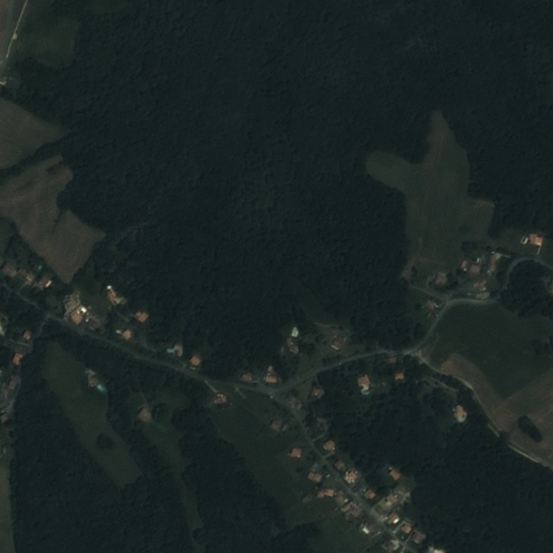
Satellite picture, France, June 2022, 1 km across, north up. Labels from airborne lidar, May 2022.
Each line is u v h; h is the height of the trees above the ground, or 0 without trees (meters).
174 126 22
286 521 14
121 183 22
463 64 23
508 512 23
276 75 24
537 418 0
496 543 25
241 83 24
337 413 18
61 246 0
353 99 16
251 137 25
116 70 23
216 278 29
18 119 0
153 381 18
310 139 22
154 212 13
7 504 0
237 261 20
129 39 19
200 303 17
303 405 6
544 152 29
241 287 16
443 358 0
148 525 23
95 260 14
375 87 14
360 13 20
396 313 22
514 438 0
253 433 0
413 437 21
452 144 0
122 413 19
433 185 0
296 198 26
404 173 0
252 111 30
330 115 23
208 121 13
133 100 29
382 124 23
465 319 0
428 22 22
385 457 24
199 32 20
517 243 0
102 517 20
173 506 22
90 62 9
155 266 27
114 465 0
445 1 24
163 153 21
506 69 27
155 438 0
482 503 25
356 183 17
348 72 13
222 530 30
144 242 30
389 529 0
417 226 0
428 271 0
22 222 0
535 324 0
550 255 0
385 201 21
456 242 0
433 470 22
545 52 15
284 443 0
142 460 20
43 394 22
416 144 22
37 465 29
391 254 24
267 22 27
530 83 19
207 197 25
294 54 21
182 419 29
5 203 0
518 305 20
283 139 23
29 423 30
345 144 18
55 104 16
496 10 25
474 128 23
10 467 7
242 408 0
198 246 22
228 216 25
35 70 8
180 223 23
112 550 14
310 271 26
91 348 17
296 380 0
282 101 22
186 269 27
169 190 20
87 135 20
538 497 17
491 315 0
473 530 26
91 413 0
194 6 16
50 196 0
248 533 27
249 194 16
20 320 15
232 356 16
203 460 25
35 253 7
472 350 0
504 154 28
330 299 23
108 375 16
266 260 13
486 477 23
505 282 13
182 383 13
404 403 17
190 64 23
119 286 21
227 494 26
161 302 21
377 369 7
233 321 19
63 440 26
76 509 23
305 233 22
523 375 0
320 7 22
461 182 0
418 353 0
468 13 32
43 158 13
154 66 19
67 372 0
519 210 13
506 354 0
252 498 29
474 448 28
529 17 25
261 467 0
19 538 20
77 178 17
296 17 19
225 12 27
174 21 11
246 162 9
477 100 25
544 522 17
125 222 17
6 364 18
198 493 20
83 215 17
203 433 27
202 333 26
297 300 16
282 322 17
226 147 29
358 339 14
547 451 0
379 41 22
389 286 23
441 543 18
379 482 22
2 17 0
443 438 17
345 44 13
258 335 19
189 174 8
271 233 16
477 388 0
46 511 28
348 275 26
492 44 28
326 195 25
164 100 29
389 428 21
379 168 0
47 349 16
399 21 22
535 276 17
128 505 7
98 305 0
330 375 19
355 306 22
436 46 22
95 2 0
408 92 20
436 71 23
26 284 0
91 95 18
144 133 29
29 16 0
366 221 19
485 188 26
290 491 0
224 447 32
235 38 18
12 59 0
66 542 27
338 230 28
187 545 20
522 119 26
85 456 23
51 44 0
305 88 20
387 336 21
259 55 25
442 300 0
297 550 22
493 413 0
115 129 26
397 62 24
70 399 0
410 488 0
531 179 27
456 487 26
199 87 17
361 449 24
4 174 11
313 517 0
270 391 0
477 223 0
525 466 15
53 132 0
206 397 19
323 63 13
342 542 0
